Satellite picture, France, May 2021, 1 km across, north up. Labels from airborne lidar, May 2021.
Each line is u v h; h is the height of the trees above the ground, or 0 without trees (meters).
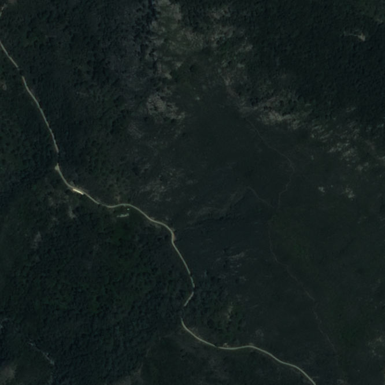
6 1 18
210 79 0
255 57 11
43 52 7
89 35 12
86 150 19
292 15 18
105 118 12
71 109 7
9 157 0
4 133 24
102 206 11
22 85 13
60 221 14
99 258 10
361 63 16
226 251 13
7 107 9
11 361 7
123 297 16
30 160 17
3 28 8
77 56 6
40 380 10
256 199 0
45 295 15
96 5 10
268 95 8
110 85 15
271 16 12
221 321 11
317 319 0
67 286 15
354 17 14
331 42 15
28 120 8
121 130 12
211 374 9
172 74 18
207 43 12
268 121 0
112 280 16
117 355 17
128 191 15
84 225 13
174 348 6
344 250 6
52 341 15
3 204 7
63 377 12
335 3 21
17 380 11
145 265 16
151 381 7
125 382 0
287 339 0
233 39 9
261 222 0
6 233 7
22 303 12
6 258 7
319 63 14
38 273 15
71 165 8
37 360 14
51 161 15
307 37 15
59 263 15
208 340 7
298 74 9
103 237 17
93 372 17
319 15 14
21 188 8
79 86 12
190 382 7
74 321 11
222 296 18
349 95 13
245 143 0
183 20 13
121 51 9
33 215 17
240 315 13
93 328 17
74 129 8
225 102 0
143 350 5
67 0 6
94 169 14
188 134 11
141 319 9
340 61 16
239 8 8
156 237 7
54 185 16
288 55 13
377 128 13
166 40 8
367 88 12
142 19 8
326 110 9
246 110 0
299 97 12
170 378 6
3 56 10
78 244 13
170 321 9
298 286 0
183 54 0
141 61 11
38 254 15
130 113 14
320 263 7
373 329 0
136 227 10
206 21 16
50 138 7
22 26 6
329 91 14
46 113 9
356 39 14
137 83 0
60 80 7
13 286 13
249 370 8
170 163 0
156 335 7
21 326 24
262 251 0
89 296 8
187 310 15
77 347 15
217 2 14
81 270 8
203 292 15
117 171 14
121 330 10
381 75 17
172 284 15
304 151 0
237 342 12
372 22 16
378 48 18
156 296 8
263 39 14
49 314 22
